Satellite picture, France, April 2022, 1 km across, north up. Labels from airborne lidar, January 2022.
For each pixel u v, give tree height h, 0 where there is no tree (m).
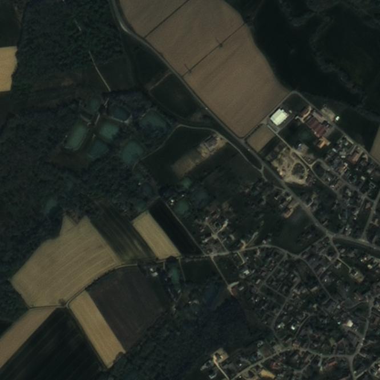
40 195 27
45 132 21
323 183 0
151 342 23
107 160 25
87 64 23
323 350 0
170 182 0
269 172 0
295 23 12
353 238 0
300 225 0
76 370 0
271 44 0
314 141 0
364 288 10
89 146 0
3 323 0
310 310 0
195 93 0
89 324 0
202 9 0
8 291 20
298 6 0
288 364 12
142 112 15
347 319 0
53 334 0
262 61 0
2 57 0
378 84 0
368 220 0
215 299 21
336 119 0
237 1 0
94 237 0
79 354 0
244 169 0
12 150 25
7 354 0
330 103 0
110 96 16
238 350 0
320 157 0
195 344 26
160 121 0
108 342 0
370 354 12
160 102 0
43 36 22
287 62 0
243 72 0
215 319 25
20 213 30
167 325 15
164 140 15
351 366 0
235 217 0
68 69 26
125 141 25
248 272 0
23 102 0
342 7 0
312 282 14
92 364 0
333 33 0
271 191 18
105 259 0
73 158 0
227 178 0
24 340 0
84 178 19
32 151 29
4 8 0
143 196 28
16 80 19
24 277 0
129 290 0
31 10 22
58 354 0
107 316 0
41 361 0
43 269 0
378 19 20
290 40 0
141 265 11
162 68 0
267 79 0
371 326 0
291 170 0
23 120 31
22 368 0
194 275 0
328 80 0
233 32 0
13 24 0
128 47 0
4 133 24
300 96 0
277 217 0
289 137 0
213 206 0
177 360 23
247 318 26
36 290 0
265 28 0
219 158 0
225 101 0
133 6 0
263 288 0
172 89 0
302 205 0
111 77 0
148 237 0
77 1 10
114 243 0
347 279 0
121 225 0
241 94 0
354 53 0
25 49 23
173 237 0
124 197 16
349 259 0
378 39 0
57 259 0
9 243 28
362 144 0
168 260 13
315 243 0
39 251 0
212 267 0
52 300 0
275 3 0
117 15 0
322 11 7
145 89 0
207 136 0
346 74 11
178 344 24
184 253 0
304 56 0
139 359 23
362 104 14
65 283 0
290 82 0
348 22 0
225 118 0
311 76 0
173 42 0
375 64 0
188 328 27
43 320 0
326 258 0
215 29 0
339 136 0
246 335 26
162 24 0
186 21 0
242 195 0
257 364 0
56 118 26
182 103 0
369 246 0
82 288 0
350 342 10
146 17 0
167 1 0
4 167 24
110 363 0
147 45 0
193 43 0
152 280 0
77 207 23
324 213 16
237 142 0
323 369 0
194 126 0
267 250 7
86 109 0
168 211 0
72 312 0
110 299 0
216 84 0
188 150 0
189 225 0
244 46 0
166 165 0
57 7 26
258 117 0
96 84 0
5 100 0
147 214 0
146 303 0
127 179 23
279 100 0
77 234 0
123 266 0
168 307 0
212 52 0
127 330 0
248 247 0
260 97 0
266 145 0
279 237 0
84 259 0
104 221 0
